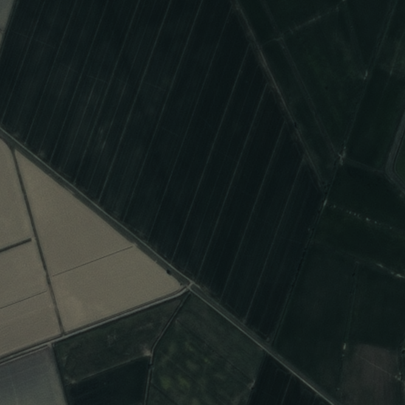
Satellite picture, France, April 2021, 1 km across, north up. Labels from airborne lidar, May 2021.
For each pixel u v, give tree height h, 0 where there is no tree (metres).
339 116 0
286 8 0
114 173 0
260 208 0
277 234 0
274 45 0
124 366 0
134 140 0
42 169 0
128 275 0
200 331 0
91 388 0
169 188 0
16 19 0
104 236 0
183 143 0
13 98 0
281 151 0
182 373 0
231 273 0
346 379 0
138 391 0
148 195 0
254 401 0
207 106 0
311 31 0
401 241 0
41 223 0
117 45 0
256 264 0
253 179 0
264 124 0
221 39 0
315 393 0
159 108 0
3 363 0
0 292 0
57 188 0
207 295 0
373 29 0
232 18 0
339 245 0
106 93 0
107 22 0
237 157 0
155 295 0
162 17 0
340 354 0
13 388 0
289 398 0
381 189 0
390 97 0
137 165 0
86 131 0
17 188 0
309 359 0
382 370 0
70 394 0
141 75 0
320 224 0
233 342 0
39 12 0
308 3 0
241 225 0
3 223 0
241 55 0
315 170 0
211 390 0
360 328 0
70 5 0
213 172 0
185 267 0
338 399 0
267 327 0
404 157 0
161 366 0
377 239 0
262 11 0
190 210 0
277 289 0
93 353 0
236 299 0
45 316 0
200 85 0
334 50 0
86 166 0
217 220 0
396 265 0
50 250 0
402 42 0
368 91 0
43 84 0
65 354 0
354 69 0
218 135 0
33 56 0
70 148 0
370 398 0
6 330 0
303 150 0
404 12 0
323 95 0
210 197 0
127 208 0
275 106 0
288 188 0
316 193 0
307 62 0
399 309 0
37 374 0
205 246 0
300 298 0
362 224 0
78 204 0
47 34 0
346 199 0
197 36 0
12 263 0
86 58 0
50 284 0
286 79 0
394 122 0
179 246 0
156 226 0
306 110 0
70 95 0
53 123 0
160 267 0
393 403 0
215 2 0
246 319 0
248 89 0
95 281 0
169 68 0
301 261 6
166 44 0
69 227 0
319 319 0
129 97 0
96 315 0
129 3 0
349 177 0
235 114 0
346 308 0
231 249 0
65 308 0
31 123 0
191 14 0
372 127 0
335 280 0
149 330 0
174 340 0
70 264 0
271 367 0
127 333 0
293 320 0
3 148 0
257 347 0
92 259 0
